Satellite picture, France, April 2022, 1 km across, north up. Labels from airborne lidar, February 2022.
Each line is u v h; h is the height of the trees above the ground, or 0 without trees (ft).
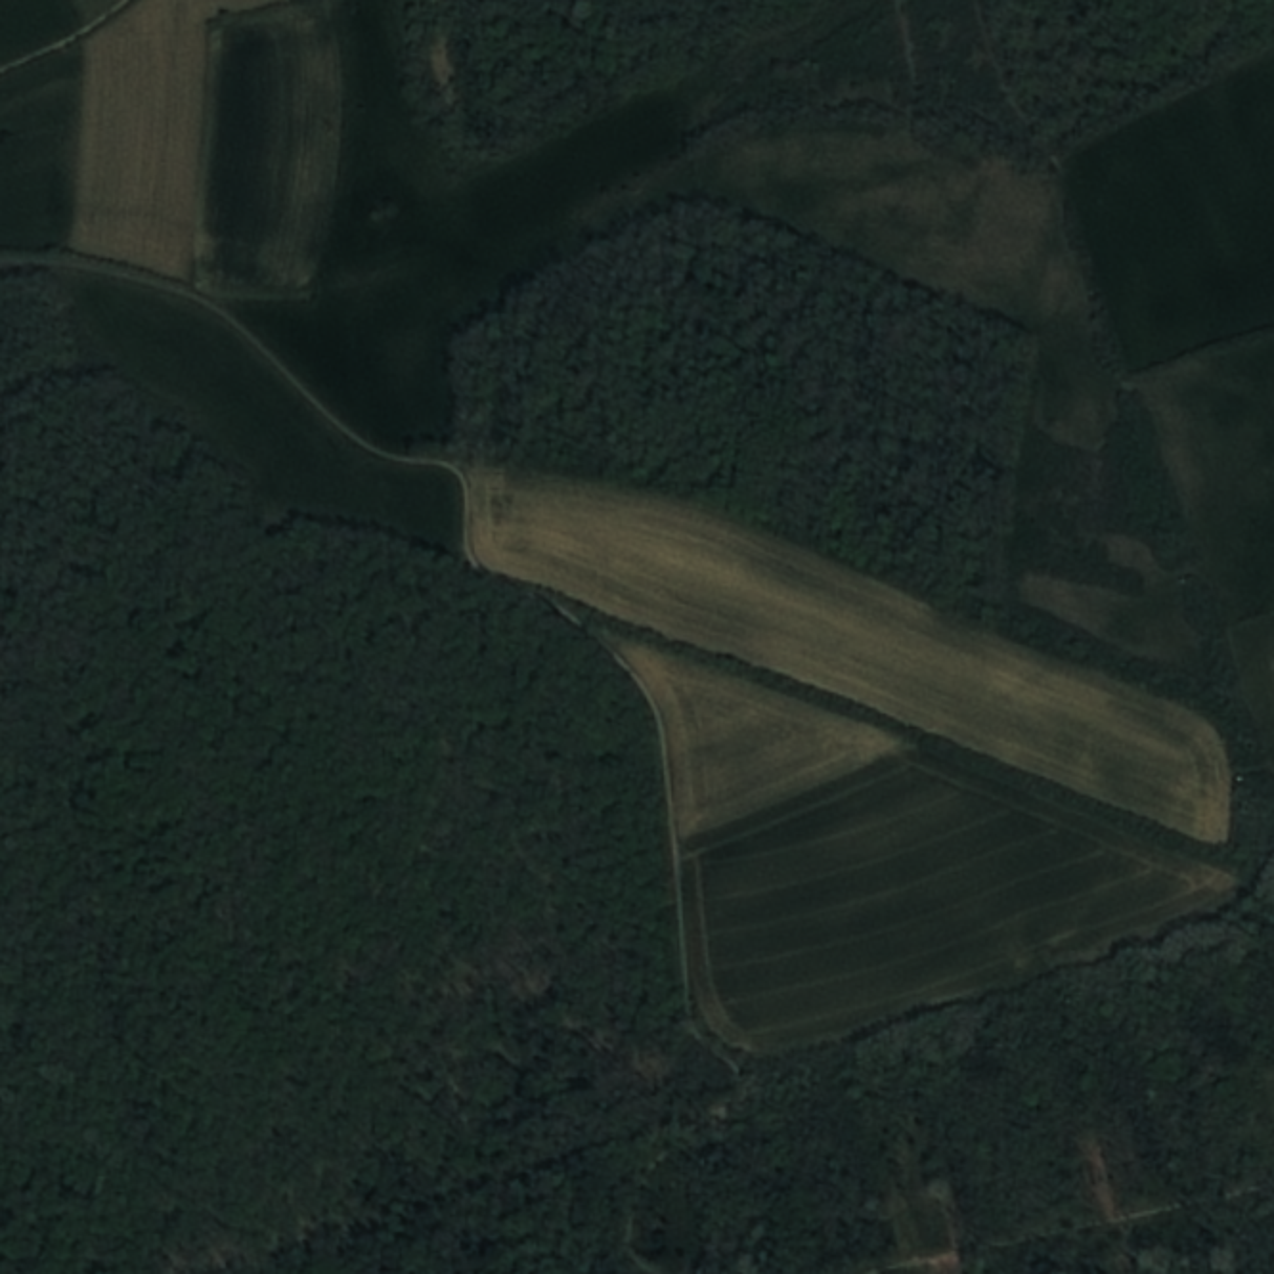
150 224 0
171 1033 76
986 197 0
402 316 0
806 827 0
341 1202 87
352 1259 69
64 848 73
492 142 41
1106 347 22
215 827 85
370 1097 83
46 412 73
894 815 0
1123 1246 86
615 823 77
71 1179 66
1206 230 0
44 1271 78
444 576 72
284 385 0
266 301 0
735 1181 74
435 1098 88
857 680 0
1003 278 0
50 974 65
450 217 0
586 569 0
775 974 0
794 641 0
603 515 0
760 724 0
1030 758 0
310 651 76
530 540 0
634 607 0
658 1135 79
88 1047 81
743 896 0
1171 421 0
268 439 0
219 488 76
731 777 0
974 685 0
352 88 0
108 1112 72
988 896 0
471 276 0
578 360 65
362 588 76
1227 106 0
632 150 0
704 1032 32
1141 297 0
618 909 90
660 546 0
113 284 0
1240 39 74
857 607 0
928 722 0
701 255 35
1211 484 0
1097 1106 58
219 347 0
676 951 56
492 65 62
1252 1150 20
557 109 76
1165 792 0
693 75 62
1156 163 0
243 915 78
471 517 0
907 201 0
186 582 79
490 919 88
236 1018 71
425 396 0
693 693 0
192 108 0
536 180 0
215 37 0
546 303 102
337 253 0
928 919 0
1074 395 0
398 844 81
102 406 80
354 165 0
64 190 0
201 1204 79
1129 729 0
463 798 89
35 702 96
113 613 85
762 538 0
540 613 68
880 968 0
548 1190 91
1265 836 30
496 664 80
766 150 0
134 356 0
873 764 0
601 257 80
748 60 25
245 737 64
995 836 0
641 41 78
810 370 104
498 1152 89
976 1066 63
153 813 66
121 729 82
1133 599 0
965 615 31
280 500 0
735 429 60
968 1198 70
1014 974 0
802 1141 51
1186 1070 32
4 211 0
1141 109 45
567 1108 81
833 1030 0
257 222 0
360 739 75
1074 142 67
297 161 0
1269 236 0
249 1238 77
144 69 0
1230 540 0
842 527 61
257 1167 81
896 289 68
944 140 51
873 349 86
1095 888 0
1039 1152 76
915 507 60
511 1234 40
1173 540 22
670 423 71
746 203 0
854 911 0
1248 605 0
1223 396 0
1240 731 20
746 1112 51
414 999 88
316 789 72
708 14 84
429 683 81
